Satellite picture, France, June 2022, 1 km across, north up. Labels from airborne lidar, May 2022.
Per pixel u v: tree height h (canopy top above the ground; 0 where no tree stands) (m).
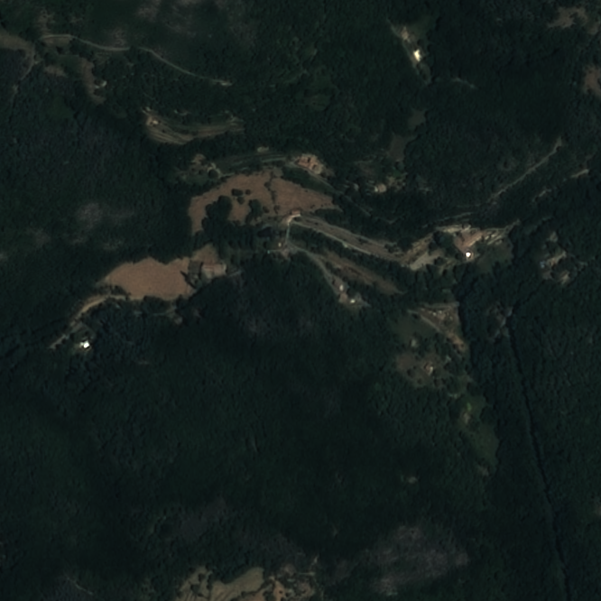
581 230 13
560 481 18
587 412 16
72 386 24
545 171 13
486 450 0
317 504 12
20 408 16
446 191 14
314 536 10
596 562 9
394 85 19
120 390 10
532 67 29
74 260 24
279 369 17
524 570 32
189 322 23
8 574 14
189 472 13
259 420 14
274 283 18
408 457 19
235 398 16
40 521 13
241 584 0
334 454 19
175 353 21
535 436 20
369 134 12
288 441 14
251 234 12
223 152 19
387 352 15
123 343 36
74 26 10
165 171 15
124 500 16
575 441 17
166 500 10
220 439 12
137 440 12
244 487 11
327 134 11
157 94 10
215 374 14
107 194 9
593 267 11
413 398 20
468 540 14
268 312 12
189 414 15
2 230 14
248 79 11
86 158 18
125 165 9
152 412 12
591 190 28
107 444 9
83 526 12
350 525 12
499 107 19
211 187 7
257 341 22
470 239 0
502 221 13
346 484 11
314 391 18
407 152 12
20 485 12
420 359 13
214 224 22
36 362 17
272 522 15
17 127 20
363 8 15
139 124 13
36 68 11
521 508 28
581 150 10
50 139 18
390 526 12
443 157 15
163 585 13
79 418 20
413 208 16
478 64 19
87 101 20
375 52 9
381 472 16
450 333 0
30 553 15
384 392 15
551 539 17
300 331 16
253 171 9
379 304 20
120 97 13
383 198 14
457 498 17
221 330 23
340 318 19
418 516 14
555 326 18
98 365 24
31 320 28
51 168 21
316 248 14
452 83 18
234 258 13
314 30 16
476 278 10
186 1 0
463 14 23
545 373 16
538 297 27
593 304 12
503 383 17
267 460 12
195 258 0
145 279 0
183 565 9
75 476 13
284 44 7
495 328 13
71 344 14
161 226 14
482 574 21
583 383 11
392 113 21
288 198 0
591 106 17
